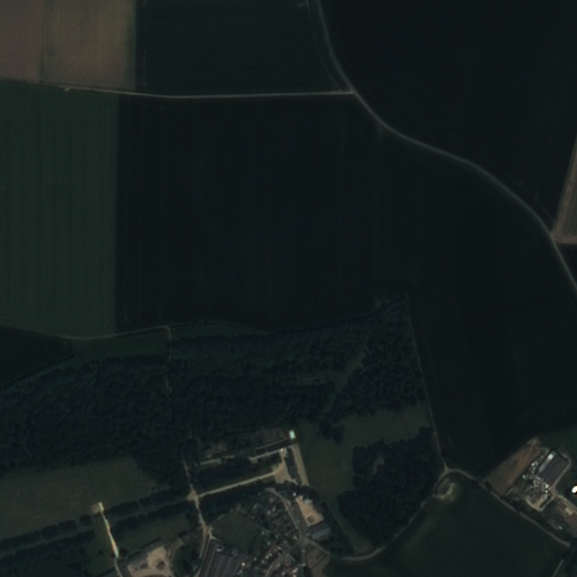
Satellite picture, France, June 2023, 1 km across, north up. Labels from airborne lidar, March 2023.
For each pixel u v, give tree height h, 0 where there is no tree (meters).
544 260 0
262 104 0
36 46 0
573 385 0
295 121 0
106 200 0
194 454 13
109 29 0
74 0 0
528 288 0
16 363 0
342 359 13
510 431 0
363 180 0
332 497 0
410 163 0
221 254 0
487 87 0
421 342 0
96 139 0
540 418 0
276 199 0
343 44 0
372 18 0
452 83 0
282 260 0
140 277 0
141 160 0
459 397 0
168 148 0
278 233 0
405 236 0
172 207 0
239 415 27
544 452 0
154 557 0
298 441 0
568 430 0
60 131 0
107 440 25
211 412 19
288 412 20
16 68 0
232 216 0
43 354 0
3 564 14
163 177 0
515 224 0
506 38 0
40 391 22
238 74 0
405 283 0
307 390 7
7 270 0
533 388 0
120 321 0
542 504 0
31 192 0
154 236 0
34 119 0
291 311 0
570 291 0
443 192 0
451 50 0
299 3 0
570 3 0
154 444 27
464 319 0
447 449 0
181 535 7
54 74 0
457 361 0
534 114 0
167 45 0
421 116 0
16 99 0
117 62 0
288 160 0
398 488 28
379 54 0
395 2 0
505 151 0
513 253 0
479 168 0
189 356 29
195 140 0
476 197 0
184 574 0
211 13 0
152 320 0
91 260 0
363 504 25
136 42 0
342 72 0
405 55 0
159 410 26
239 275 0
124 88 0
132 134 0
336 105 0
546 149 0
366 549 0
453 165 0
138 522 17
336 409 14
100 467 0
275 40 0
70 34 0
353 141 0
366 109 0
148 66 0
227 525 0
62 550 15
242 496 19
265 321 0
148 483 0
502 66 0
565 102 0
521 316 0
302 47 0
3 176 0
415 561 0
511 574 0
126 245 0
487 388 0
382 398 22
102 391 25
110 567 0
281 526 6
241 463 24
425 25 0
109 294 0
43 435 29
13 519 0
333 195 0
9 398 22
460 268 0
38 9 0
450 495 0
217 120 0
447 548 0
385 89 0
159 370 20
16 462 21
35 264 0
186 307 0
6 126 0
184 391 30
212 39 0
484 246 0
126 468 0
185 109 0
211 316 0
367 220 0
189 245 0
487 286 0
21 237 0
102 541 0
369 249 0
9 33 0
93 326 0
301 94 0
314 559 0
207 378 29
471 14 0
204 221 0
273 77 0
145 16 0
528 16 0
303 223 0
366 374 7
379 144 0
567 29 0
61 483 0
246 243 0
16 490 0
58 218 0
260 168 0
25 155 0
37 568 0
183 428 29
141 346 0
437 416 0
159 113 0
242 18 0
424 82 0
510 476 0
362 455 27
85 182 0
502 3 0
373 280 0
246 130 0
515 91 0
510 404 0
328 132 0
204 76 0
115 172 0
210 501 22
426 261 0
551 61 0
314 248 0
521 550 0
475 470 0
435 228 0
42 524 0
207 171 0
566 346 0
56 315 0
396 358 19
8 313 0
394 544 0
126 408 30
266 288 0
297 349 15
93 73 0
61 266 0
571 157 0
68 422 24
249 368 26
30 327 0
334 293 0
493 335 0
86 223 0
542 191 0
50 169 0
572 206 0
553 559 0
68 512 0
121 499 0
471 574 0
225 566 0
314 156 0
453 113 0
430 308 0
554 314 0
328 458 0
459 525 0
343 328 18
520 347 0
